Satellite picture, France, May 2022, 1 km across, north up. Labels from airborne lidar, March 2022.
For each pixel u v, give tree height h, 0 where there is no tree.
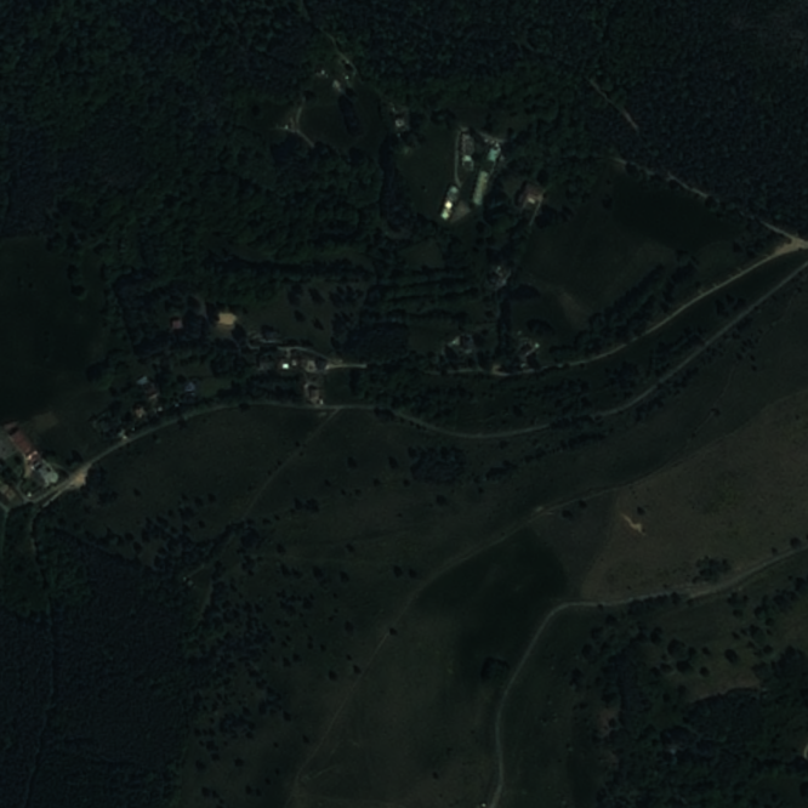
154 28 31
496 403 0
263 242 26
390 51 27
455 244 19
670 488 0
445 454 14
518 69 26
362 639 0
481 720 0
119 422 12
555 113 8
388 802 0
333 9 22
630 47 24
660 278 12
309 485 0
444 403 7
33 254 0
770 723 7
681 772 9
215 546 11
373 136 0
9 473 14
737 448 0
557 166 22
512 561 0
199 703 12
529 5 22
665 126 22
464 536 0
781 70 14
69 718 15
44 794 18
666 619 0
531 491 0
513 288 9
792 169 22
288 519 0
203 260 6
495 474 11
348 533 0
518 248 18
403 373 19
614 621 16
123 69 27
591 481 0
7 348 0
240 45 28
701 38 20
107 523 0
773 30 12
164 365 16
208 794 15
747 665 0
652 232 0
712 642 0
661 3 23
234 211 25
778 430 0
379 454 0
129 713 14
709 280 0
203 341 24
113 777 16
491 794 0
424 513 0
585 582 0
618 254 0
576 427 13
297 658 11
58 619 21
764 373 0
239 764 12
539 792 0
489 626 0
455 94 17
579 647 0
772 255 0
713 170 23
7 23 34
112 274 11
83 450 0
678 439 0
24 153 20
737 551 0
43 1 32
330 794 0
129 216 17
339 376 0
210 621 10
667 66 23
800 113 23
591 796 0
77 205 23
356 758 0
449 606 0
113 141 25
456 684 0
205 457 0
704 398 0
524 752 0
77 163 25
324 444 0
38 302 0
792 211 15
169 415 14
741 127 31
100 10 28
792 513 0
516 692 0
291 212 24
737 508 0
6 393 0
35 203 27
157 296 24
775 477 0
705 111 31
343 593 0
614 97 26
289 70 25
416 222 18
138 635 18
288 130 0
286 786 0
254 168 25
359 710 0
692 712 14
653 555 0
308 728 0
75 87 35
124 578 22
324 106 0
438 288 12
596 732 6
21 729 26
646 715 10
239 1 28
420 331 0
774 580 0
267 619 0
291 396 13
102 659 23
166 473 0
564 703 0
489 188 0
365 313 12
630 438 0
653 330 0
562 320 0
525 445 0
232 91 24
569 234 0
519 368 10
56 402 0
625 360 0
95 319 0
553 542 0
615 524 0
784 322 0
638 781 18
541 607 0
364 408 0
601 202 0
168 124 27
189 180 27
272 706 13
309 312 0
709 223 0
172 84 15
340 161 26
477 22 23
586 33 25
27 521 8
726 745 17
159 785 20
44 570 10
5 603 6
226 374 15
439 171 0
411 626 0
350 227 15
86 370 0
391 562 0
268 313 0
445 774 0
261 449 0
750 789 12
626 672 26
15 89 30
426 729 0
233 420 0
